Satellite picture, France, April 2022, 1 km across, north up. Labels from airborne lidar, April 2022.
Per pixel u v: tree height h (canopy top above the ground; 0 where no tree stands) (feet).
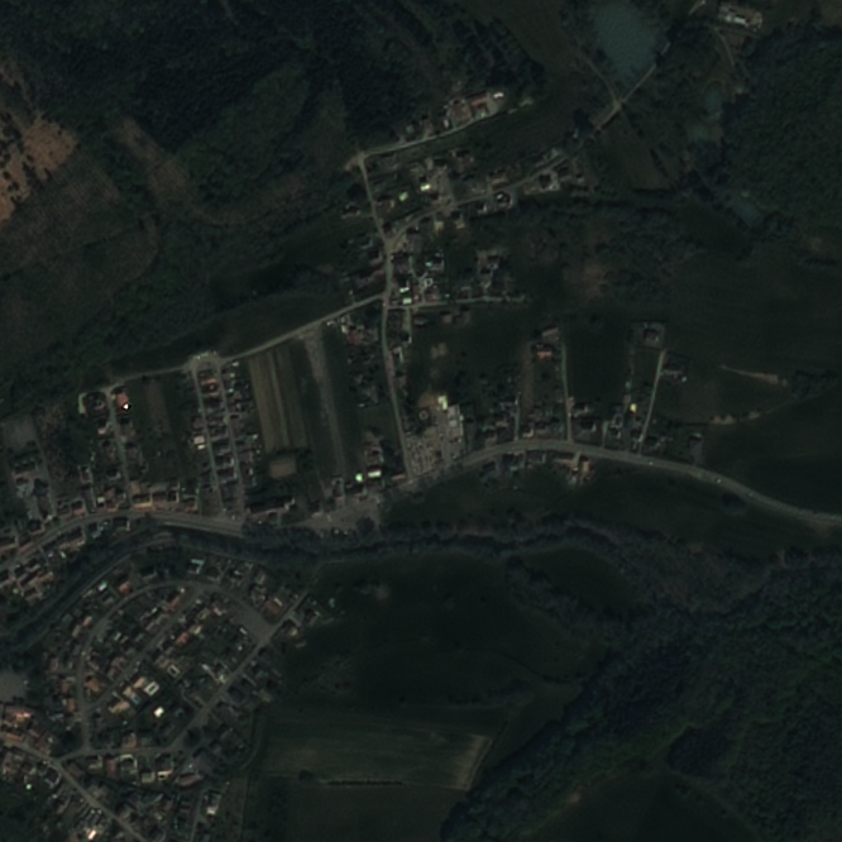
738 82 51
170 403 0
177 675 0
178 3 104
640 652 90
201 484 0
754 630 83
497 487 37
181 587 0
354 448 0
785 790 34
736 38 0
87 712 0
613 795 0
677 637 81
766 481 0
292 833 0
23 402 50
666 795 0
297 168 44
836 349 0
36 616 39
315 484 0
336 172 44
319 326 0
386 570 0
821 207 80
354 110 90
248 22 97
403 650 0
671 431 19
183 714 24
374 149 0
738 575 77
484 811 51
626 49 0
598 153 23
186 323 81
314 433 0
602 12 0
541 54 0
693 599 45
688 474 0
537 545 53
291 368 0
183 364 0
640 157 0
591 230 0
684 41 31
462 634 0
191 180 64
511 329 0
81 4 68
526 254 0
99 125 70
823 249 0
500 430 20
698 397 0
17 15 73
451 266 0
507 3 0
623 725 84
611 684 68
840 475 0
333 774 0
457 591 0
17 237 61
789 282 0
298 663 0
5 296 52
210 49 78
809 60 67
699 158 40
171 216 77
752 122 74
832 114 70
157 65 67
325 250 0
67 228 61
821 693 27
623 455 0
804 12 0
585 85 37
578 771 73
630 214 52
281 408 0
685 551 38
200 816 0
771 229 46
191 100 71
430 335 0
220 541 0
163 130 68
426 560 0
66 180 60
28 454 22
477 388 0
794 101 53
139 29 90
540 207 50
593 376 0
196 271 66
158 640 0
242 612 0
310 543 67
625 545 68
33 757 0
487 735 0
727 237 0
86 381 0
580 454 0
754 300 0
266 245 61
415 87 55
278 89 95
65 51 69
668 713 77
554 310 0
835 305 0
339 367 0
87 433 40
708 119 44
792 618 78
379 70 94
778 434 0
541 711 0
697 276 0
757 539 0
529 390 0
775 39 31
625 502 0
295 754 0
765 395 0
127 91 77
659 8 62
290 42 64
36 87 82
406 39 27
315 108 91
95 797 0
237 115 98
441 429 0
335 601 0
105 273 67
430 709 0
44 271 52
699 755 82
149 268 63
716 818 0
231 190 61
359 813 0
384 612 0
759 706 85
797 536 0
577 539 66
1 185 0
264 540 66
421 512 0
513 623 0
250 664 0
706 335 0
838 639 69
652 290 28
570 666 0
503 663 0
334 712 0
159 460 0
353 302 0
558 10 0
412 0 35
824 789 63
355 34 84
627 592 0
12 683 0
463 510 0
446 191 0
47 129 0
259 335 0
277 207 48
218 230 67
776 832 41
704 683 86
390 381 0
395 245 0
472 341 0
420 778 0
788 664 85
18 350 45
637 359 0
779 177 51
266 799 0
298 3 94
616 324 0
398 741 0
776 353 0
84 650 0
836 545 0
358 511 0
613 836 0
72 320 42
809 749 64
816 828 66
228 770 32
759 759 44
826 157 75
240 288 0
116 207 63
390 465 41
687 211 0
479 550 62
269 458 0
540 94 38
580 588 0
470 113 0
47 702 0
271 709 0
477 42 26
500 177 0
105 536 20
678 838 0
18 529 21
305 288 56
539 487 0
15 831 0
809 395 39
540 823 60
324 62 77
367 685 0
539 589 56
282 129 72
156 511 0
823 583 80
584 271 0
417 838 0
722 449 0
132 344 76
